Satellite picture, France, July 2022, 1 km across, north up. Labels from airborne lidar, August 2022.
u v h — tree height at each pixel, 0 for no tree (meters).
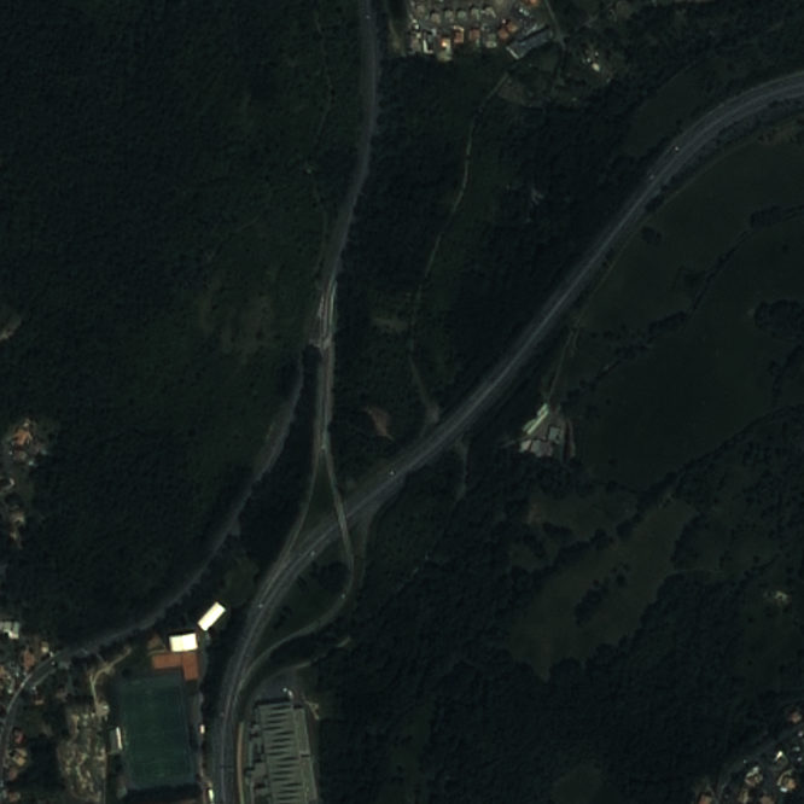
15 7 19
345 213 0
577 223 17
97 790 0
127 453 13
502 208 13
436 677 15
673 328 12
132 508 14
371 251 17
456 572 24
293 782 0
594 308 0
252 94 9
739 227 0
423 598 21
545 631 0
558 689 22
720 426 0
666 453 0
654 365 0
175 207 14
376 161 15
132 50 6
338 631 9
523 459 14
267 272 7
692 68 7
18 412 11
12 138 13
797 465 11
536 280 15
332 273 0
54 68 10
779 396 9
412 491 8
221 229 7
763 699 14
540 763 12
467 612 16
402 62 11
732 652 14
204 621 0
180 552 10
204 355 6
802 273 0
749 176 0
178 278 15
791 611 8
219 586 7
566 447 7
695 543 9
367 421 11
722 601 7
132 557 13
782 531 11
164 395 9
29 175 12
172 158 17
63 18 15
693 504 10
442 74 9
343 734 11
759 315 12
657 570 0
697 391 0
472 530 17
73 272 7
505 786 13
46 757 13
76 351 9
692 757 26
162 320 9
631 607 0
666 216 0
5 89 18
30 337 8
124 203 15
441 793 12
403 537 8
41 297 10
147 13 16
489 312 19
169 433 13
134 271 17
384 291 7
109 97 14
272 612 0
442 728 20
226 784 0
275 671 0
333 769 14
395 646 20
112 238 19
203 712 9
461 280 12
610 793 0
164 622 16
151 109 14
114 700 0
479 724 23
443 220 11
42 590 13
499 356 7
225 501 14
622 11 0
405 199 16
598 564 0
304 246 9
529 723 21
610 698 22
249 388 6
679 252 0
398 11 6
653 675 15
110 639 0
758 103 0
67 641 18
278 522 22
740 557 0
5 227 15
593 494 9
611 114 19
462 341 14
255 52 11
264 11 12
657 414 0
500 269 7
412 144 17
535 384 11
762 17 10
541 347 10
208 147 15
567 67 7
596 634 0
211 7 12
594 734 23
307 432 13
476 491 17
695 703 20
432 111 9
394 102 16
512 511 22
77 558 13
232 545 15
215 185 11
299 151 9
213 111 11
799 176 0
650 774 20
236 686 0
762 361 0
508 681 25
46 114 15
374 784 16
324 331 0
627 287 0
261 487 16
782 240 0
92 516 11
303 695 0
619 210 10
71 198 16
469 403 0
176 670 0
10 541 16
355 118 6
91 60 20
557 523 0
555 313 0
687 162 0
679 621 9
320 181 11
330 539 0
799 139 9
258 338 8
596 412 10
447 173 13
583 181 18
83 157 14
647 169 8
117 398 9
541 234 21
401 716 20
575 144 19
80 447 8
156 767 0
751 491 6
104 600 18
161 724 0
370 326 8
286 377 15
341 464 6
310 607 0
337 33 12
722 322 0
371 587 11
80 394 14
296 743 0
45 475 8
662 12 16
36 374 9
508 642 12
